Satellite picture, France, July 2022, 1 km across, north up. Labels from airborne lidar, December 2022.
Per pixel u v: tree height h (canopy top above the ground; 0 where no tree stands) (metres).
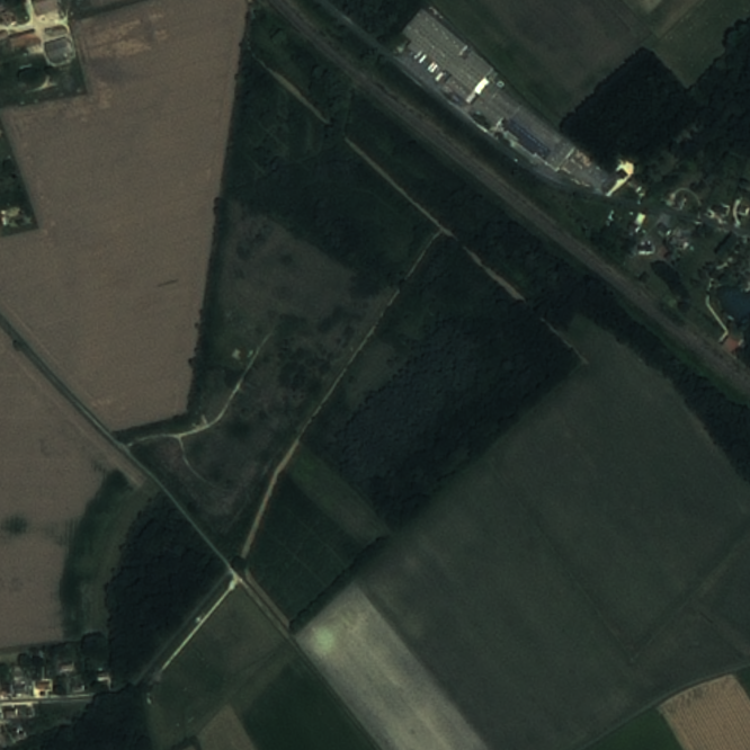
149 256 0
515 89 0
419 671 0
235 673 0
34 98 0
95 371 0
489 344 8
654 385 0
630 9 0
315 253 0
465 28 0
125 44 0
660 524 0
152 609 15
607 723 0
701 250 0
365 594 0
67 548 0
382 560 0
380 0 23
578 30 0
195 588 17
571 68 0
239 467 0
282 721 0
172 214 0
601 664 0
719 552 0
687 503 0
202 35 0
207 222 0
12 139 0
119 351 0
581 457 0
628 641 0
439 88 0
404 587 0
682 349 0
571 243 0
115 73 0
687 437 0
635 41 0
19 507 0
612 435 0
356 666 0
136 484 0
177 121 0
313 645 0
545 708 0
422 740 0
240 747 0
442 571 0
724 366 0
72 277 0
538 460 0
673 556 0
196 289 0
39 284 0
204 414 0
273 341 0
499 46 0
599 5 0
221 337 0
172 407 0
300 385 7
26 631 0
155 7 0
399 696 0
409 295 7
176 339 0
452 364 16
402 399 12
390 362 7
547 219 0
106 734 20
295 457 0
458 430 14
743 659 0
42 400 0
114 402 0
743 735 0
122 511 0
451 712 0
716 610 0
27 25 0
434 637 0
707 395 19
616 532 0
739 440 18
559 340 20
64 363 0
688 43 0
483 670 0
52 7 0
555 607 0
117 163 0
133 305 0
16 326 0
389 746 0
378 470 14
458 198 14
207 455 0
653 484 0
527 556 0
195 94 0
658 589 0
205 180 0
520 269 9
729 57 8
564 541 0
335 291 0
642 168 15
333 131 22
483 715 0
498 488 0
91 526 0
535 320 19
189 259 0
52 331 0
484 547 0
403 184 6
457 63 0
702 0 0
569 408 0
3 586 0
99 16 0
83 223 0
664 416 0
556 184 0
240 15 0
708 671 0
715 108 17
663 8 0
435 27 0
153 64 0
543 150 0
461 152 0
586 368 0
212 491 0
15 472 0
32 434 0
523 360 16
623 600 0
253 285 0
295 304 0
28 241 0
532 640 0
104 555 0
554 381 19
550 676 0
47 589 0
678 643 0
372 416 14
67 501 0
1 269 0
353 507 0
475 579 0
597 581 0
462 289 7
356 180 5
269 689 0
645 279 11
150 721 0
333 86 15
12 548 0
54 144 0
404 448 16
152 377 0
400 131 7
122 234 0
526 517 0
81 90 0
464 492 0
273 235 0
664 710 0
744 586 0
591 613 0
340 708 0
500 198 0
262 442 0
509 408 17
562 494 0
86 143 0
